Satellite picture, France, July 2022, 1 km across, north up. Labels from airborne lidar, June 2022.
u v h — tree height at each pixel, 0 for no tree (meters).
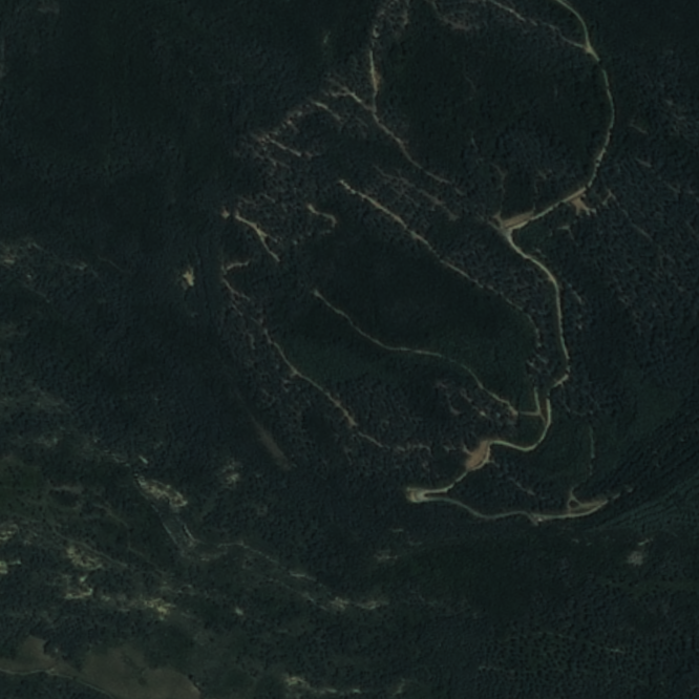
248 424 8
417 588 12
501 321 7
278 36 7
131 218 9
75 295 12
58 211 10
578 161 11
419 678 9
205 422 13
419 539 10
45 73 7
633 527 10
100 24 6
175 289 11
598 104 6
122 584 7
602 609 19
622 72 10
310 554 10
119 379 6
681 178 18
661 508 11
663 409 7
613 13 10
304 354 9
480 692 13
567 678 14
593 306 13
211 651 0
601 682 12
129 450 10
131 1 10
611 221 18
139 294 12
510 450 5
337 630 7
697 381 8
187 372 15
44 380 6
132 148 15
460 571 10
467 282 8
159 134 9
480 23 11
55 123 7
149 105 9
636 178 18
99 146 9
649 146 18
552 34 17
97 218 13
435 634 11
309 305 14
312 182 20
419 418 12
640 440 8
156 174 12
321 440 8
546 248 6
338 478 12
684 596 15
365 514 12
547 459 7
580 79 19
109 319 6
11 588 9
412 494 0
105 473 9
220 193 18
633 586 18
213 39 10
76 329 6
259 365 18
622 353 11
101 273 9
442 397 11
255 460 10
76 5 8
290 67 14
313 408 13
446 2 14
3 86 7
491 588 11
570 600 19
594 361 8
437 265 6
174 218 10
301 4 7
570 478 7
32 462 15
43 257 8
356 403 18
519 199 5
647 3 11
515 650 17
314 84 12
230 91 9
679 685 14
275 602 9
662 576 16
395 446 13
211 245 14
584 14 10
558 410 16
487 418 14
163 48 15
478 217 13
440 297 7
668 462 14
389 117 15
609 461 11
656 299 17
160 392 12
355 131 15
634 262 21
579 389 20
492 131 8
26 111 6
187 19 8
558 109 7
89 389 12
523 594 12
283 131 13
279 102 14
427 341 7
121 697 0
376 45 12
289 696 0
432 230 12
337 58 11
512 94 9
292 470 7
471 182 12
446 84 11
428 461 14
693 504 14
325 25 7
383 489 11
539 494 16
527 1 14
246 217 15
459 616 14
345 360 9
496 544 9
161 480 8
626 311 7
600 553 13
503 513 11
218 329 15
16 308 10
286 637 8
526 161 18
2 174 11
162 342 10
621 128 8
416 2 14
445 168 13
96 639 11
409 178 12
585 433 8
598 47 7
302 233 13
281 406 17
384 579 7
